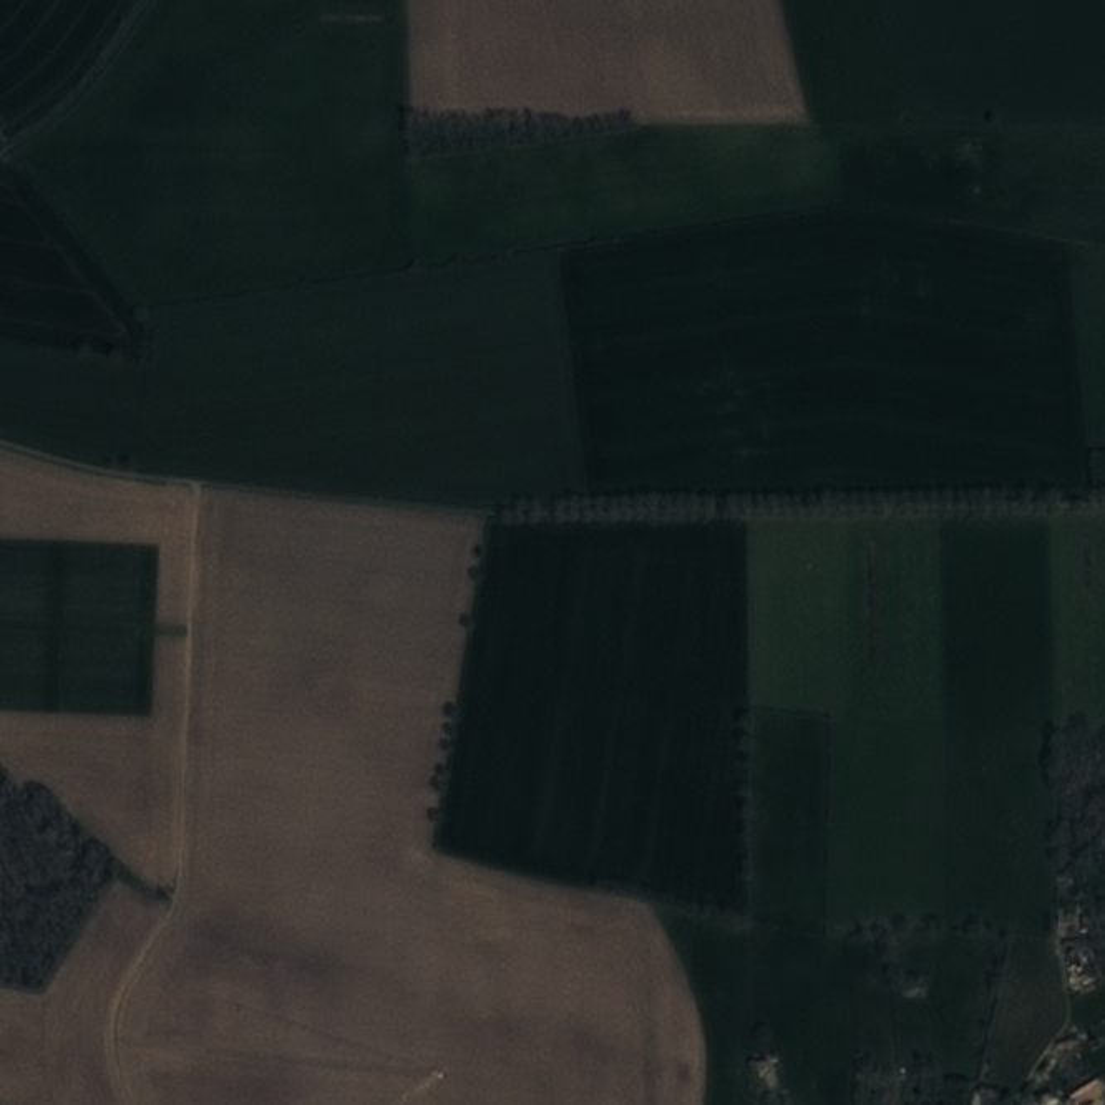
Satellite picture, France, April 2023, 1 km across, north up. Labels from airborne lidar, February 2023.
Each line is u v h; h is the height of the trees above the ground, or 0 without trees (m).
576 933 0
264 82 0
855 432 0
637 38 0
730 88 0
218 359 0
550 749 0
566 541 0
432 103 0
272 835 0
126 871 0
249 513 0
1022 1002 0
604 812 0
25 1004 0
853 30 0
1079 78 0
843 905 0
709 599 0
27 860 23
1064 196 0
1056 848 12
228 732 0
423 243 0
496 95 0
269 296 0
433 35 0
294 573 0
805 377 0
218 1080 0
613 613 0
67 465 0
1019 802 0
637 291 0
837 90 0
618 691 0
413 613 0
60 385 0
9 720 0
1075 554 0
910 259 0
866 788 0
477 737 0
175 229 0
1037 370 0
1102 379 0
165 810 0
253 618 0
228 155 0
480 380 0
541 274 0
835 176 0
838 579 0
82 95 0
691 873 0
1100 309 0
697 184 0
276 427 0
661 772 0
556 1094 0
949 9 0
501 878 0
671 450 0
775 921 0
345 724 0
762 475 0
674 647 0
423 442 0
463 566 0
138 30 0
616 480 0
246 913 0
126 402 0
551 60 0
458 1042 0
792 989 0
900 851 0
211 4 0
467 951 0
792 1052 0
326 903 0
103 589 0
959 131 0
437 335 0
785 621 0
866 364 0
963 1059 0
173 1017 0
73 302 0
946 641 0
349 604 0
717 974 0
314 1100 0
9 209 0
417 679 0
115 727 0
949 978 0
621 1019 0
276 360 0
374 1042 0
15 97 0
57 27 0
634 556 0
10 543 0
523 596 0
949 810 0
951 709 0
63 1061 0
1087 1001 0
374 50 0
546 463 0
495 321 0
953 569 0
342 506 0
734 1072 0
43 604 0
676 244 0
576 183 0
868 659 0
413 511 0
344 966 0
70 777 0
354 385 0
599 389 0
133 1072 0
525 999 0
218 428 0
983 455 0
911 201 0
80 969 0
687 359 0
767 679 0
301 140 0
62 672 0
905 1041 0
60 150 0
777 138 0
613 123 15
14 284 0
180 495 0
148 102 0
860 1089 12
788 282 0
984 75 0
